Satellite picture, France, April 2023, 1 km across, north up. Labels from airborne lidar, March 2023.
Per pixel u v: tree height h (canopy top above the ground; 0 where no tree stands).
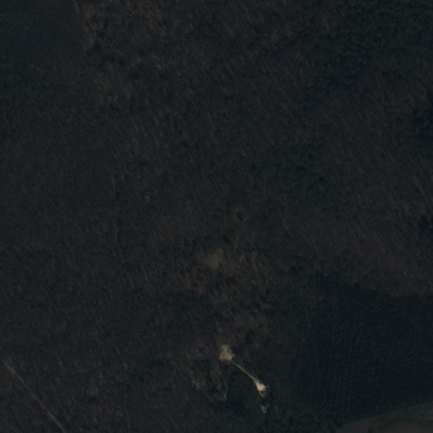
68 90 18
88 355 23
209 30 21
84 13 24
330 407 17
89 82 20
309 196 23
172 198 17
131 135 23
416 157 27
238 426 14
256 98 28
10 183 22
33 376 21
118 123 23
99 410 28
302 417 24
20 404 19
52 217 19
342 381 17
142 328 19
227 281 25
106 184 20
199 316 23
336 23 28
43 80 21
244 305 0
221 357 0
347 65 25
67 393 25
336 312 21
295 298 23
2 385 18
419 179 27
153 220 22
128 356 20
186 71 22
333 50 26
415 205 26
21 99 12
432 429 0
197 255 25
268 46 28
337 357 17
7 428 26
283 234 27
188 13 27
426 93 32
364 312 17
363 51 26
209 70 23
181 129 23
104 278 22
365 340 16
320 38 24
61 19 18
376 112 29
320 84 25
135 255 17
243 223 21
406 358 19
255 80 31
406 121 29
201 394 16
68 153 20
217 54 22
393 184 27
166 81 27
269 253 18
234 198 20
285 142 27
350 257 26
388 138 32
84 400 23
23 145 19
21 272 20
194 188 20
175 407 21
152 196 22
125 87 28
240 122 22
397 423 0
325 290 20
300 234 26
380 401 16
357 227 30
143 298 23
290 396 18
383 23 28
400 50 30
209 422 21
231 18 30
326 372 11
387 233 27
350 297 19
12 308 22
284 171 25
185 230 20
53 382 25
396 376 15
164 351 24
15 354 22
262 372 15
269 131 29
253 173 26
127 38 26
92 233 22
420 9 29
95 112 19
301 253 21
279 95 30
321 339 18
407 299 18
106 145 21
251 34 24
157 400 21
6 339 21
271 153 27
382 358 20
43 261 18
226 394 0
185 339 20
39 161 21
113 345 20
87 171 21
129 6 27
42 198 18
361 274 22
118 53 25
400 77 14
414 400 15
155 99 27
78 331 24
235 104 25
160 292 23
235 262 25
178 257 22
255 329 0
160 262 21
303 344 19
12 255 20
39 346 16
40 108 16
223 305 26
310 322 20
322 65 29
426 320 16
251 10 29
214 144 16
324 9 29
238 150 31
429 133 23
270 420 15
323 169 17
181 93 27
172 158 25
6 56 20
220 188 25
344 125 27
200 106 28
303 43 30
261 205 22
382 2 24
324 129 33
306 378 19
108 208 19
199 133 26
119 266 23
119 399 20
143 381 23
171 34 28
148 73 27
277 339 24
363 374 18
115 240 21
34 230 21
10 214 21
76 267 22
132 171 25
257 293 19
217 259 0
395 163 28
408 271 27
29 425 20
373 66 30
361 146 29
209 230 23
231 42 21
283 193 23
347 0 24
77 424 19
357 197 30
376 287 23
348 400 18
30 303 26
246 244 0
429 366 20
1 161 20
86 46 22
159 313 20
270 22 27
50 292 20
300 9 21
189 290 22
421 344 19
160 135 27
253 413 18
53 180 21
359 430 0
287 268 26
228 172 29
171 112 28
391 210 26
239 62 27
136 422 23
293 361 7
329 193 26
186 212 25
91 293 18
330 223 29
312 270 27
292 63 29
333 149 27
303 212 27
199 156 27
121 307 22
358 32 21
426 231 28
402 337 17
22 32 24
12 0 18
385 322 18
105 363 22
